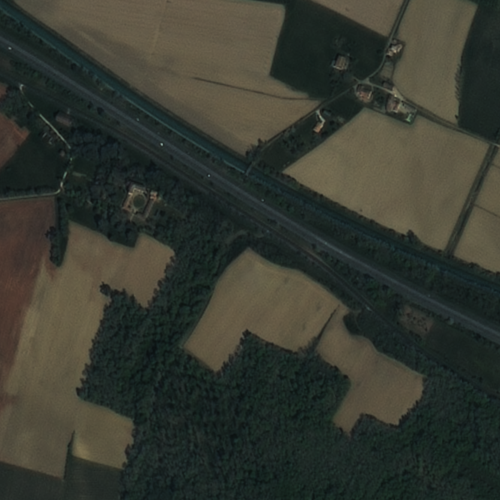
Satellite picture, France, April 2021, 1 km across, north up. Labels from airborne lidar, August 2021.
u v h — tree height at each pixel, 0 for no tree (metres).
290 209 19
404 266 14
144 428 22
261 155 17
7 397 0
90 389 19
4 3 0
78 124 14
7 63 0
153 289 0
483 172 0
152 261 0
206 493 12
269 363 26
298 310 0
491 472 14
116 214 16
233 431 6
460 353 0
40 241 0
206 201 22
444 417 21
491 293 21
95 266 0
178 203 16
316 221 12
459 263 0
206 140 0
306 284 0
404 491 19
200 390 19
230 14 0
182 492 20
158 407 6
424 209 0
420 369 17
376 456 18
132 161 6
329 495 22
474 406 14
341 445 23
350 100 0
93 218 0
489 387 0
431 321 0
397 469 15
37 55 0
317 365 14
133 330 21
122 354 21
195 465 18
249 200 0
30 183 0
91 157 20
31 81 0
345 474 19
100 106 0
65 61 13
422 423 21
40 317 0
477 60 0
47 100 0
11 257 0
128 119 0
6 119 0
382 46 0
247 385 21
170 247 16
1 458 0
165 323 16
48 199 0
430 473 13
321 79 0
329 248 0
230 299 0
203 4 0
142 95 0
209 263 20
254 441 18
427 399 14
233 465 25
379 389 0
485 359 0
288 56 0
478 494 15
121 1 0
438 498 22
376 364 0
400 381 0
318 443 20
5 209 0
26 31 18
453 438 15
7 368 0
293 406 27
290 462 21
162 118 0
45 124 12
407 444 10
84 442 0
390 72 0
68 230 14
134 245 0
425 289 8
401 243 0
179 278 21
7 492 0
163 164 0
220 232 21
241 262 0
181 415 19
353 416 0
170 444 17
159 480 16
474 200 0
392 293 16
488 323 0
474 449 22
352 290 0
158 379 23
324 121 0
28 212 0
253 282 0
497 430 15
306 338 0
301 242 0
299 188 12
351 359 0
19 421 0
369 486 22
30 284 0
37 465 0
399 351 13
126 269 0
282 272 0
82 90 0
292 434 20
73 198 10
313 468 21
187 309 26
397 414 0
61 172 0
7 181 0
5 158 0
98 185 14
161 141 0
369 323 11
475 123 0
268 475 23
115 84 0
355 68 0
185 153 0
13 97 19
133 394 22
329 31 0
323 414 20
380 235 0
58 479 0
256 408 19
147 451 22
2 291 0
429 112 0
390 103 0
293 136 0
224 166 18
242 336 0
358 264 0
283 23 0
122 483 12
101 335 15
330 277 9
